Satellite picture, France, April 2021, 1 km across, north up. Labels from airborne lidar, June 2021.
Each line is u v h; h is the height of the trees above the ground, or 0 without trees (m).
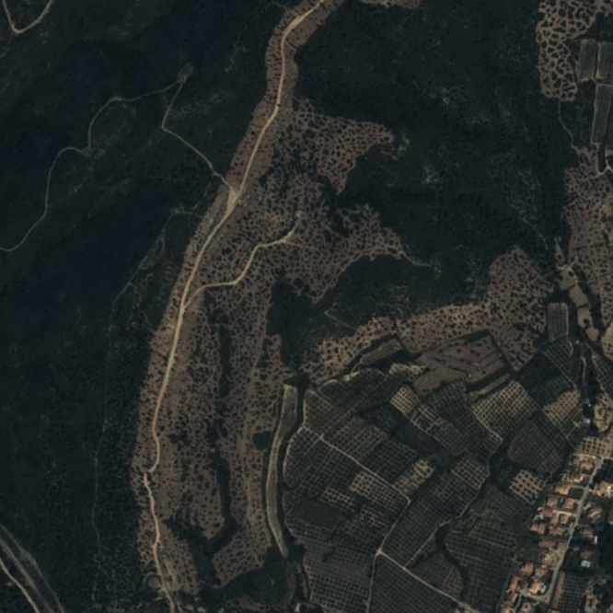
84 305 0
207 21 0
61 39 0
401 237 0
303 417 0
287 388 0
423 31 0
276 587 0
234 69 0
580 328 7
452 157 5
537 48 5
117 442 9
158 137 0
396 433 6
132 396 8
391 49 7
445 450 0
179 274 0
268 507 0
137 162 0
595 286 0
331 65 0
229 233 0
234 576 0
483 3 7
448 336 0
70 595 7
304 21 0
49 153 0
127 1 0
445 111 10
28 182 0
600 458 0
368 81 0
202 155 0
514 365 0
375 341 6
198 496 0
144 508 8
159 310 0
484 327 0
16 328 0
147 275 0
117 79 0
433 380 0
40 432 0
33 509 0
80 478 0
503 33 0
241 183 0
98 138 0
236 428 0
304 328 0
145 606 8
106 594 11
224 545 0
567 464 6
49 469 7
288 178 6
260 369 0
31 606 11
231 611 9
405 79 8
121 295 0
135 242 0
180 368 0
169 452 0
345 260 0
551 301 7
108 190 0
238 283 0
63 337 0
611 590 8
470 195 7
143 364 6
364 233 0
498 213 12
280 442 0
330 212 8
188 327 0
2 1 0
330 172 0
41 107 0
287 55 0
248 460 0
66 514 6
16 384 0
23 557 0
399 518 7
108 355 0
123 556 9
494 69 6
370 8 7
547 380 8
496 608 7
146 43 0
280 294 0
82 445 0
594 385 12
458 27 0
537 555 0
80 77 0
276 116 0
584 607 6
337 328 0
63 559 8
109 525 9
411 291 0
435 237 0
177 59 0
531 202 5
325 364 0
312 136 7
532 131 10
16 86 0
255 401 0
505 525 6
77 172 0
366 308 0
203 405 0
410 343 0
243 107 0
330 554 6
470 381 0
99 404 0
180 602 0
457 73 0
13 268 0
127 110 0
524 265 0
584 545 12
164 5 0
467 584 6
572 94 6
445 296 0
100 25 0
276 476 0
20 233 0
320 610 8
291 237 0
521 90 6
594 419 7
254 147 0
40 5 0
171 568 0
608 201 0
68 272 0
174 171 7
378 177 6
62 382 0
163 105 0
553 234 8
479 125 9
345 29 0
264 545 0
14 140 8
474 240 6
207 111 0
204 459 0
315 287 0
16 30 0
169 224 0
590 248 0
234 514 0
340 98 8
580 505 0
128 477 9
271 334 0
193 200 0
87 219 6
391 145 0
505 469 8
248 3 7
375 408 6
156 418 0
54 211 0
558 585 0
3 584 9
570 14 6
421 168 6
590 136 6
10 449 0
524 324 6
